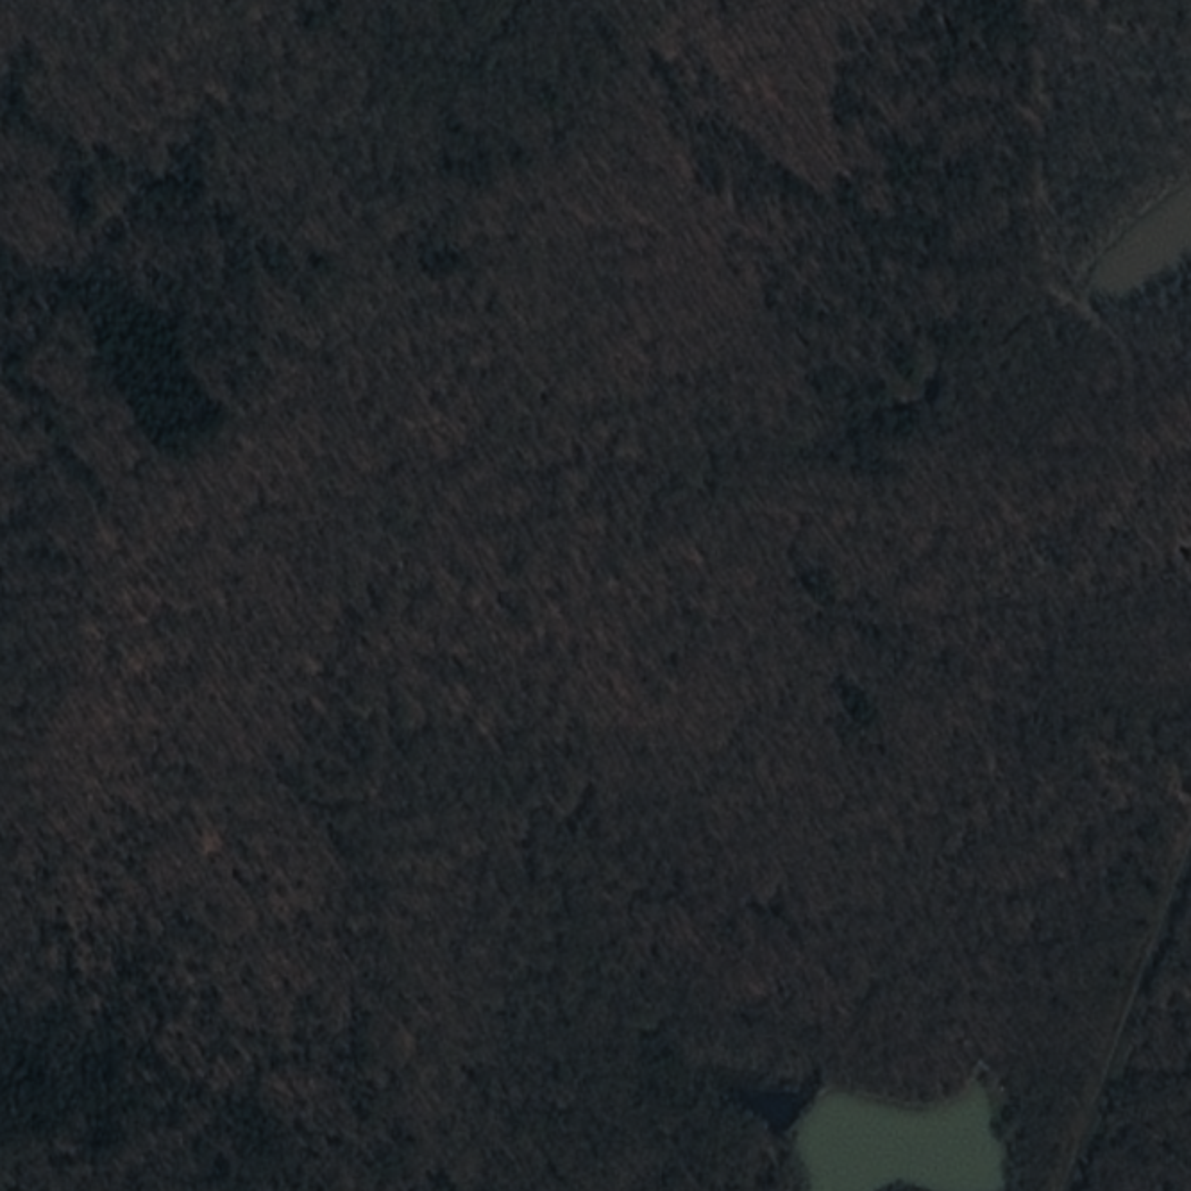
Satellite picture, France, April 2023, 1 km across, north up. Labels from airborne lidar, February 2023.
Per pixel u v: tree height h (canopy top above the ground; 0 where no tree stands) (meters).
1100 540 21
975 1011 23
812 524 18
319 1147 25
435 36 22
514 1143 23
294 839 21
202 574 26
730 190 23
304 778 23
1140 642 18
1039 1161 19
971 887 13
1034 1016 19
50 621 27
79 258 26
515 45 21
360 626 24
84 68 23
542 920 20
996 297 13
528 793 24
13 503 25
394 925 27
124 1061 24
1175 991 23
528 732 24
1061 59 21
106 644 26
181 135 24
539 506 22
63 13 21
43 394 22
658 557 21
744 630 19
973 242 25
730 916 23
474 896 25
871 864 22
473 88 24
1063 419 24
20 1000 24
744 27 24
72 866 23
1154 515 24
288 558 25
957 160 24
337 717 24
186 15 24
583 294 21
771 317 25
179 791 29
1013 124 23
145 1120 25
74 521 27
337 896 20
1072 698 20
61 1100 27
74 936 25
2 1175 25
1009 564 22
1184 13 19
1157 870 20
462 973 24
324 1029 25
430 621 24
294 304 23
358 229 23
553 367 20
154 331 26
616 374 25
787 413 25
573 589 23
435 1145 23
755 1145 23
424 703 24
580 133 18
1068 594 21
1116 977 20
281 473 24
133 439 20
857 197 23
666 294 20
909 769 19
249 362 21
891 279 26
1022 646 20
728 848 16
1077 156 18
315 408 25
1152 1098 23
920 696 19
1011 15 20
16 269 19
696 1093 17
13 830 26
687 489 23
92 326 22
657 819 24
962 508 20
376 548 22
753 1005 18
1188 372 23
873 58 25
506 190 21
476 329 24
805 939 18
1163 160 22
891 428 22
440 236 19
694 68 21
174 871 25
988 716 21
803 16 22
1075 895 19
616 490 25
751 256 22
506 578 21
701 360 24
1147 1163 19
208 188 24
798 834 23
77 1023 25
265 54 24
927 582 20
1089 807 22
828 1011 21
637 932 23
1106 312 22
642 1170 27
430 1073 23
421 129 22
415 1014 23
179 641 26
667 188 24
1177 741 26
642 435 25
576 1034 19
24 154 25
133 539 27
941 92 22
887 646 15
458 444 24
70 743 26
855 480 24
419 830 24
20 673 26
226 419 24
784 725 17
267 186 24
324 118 19
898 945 18
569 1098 25
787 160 27
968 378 23
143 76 26
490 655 22
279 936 22
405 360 24
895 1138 0
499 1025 24
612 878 21
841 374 26
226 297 20
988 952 22
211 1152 27
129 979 25
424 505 19
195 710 27
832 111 21
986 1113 0
